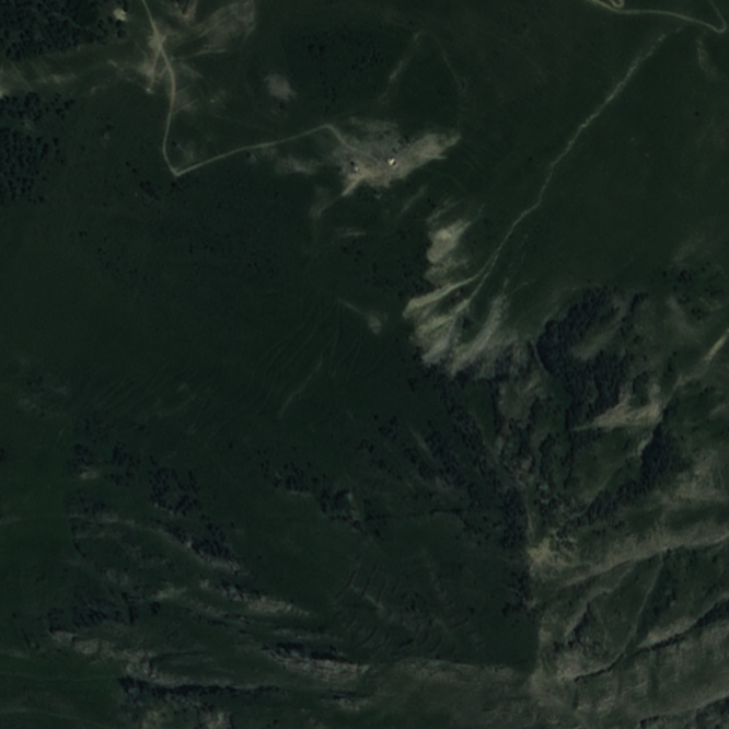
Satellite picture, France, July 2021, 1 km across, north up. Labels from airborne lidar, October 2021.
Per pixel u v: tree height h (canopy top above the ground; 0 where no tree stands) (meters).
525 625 0
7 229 0
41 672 0
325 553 0
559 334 8
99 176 0
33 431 0
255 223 0
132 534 0
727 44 0
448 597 0
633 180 0
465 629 0
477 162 0
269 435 0
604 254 0
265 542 0
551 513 9
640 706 0
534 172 0
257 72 0
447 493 0
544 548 0
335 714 0
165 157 0
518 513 8
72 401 0
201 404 0
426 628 0
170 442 0
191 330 0
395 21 0
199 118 0
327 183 0
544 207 0
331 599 0
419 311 0
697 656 0
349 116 0
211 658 0
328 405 0
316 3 0
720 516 0
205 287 0
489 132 0
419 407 0
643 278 0
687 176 0
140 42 0
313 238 0
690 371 0
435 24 0
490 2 0
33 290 0
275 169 0
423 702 0
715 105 0
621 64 0
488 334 0
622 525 6
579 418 9
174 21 0
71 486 0
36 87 0
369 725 0
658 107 0
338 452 0
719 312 0
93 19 18
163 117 0
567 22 0
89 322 0
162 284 0
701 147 0
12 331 0
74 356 0
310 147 0
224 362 0
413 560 0
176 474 10
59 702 0
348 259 0
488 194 0
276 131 0
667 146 0
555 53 0
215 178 0
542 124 0
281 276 0
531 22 0
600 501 7
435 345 0
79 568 0
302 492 7
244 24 0
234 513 0
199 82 0
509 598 0
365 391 0
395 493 0
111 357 0
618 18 0
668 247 0
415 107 0
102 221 0
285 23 0
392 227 0
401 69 0
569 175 0
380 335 0
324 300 0
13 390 0
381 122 0
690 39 0
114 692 0
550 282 0
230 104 0
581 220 0
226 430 0
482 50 0
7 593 0
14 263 0
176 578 0
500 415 9
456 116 0
